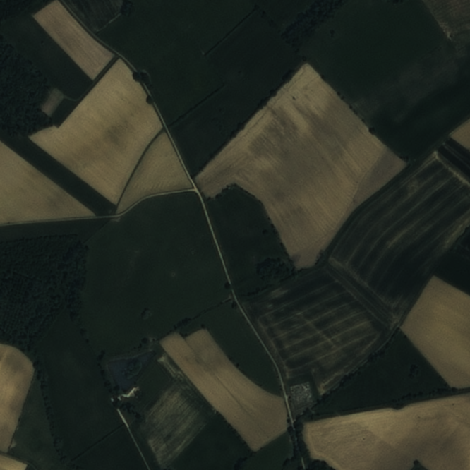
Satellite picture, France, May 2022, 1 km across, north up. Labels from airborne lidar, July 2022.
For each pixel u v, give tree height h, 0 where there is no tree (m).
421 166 0
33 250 8
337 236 0
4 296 18
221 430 0
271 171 0
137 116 0
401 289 0
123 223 0
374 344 0
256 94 0
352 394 0
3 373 0
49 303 7
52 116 0
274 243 0
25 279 10
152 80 0
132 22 0
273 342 0
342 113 0
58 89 0
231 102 0
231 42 0
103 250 0
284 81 12
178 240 0
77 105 0
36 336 17
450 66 0
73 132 0
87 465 0
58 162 0
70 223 0
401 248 0
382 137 0
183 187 0
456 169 0
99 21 0
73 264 27
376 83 0
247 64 0
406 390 0
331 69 0
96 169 0
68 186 0
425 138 0
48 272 8
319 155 0
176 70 0
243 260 0
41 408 0
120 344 0
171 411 0
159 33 0
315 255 0
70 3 0
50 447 0
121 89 0
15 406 0
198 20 0
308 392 0
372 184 0
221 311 0
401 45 0
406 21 0
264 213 0
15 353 0
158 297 0
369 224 0
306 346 0
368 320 0
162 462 0
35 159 0
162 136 0
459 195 0
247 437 0
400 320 0
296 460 11
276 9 0
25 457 0
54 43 0
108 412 0
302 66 0
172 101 0
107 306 0
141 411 0
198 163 0
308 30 23
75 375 0
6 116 26
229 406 0
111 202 0
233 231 0
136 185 0
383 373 0
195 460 0
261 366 0
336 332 0
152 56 0
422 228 0
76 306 24
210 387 0
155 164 0
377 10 0
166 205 0
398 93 0
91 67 0
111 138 0
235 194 0
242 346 0
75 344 0
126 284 0
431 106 0
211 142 0
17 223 0
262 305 0
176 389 0
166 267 0
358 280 0
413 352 0
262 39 0
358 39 0
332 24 0
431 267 0
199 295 0
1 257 14
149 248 0
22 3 10
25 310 21
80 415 0
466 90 0
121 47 0
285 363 0
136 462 0
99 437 0
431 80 0
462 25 0
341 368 0
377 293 0
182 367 0
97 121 0
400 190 0
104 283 0
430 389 0
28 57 0
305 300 0
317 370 0
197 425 0
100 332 0
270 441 0
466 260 0
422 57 0
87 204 0
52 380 0
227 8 0
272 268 20
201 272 0
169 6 0
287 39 18
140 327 0
